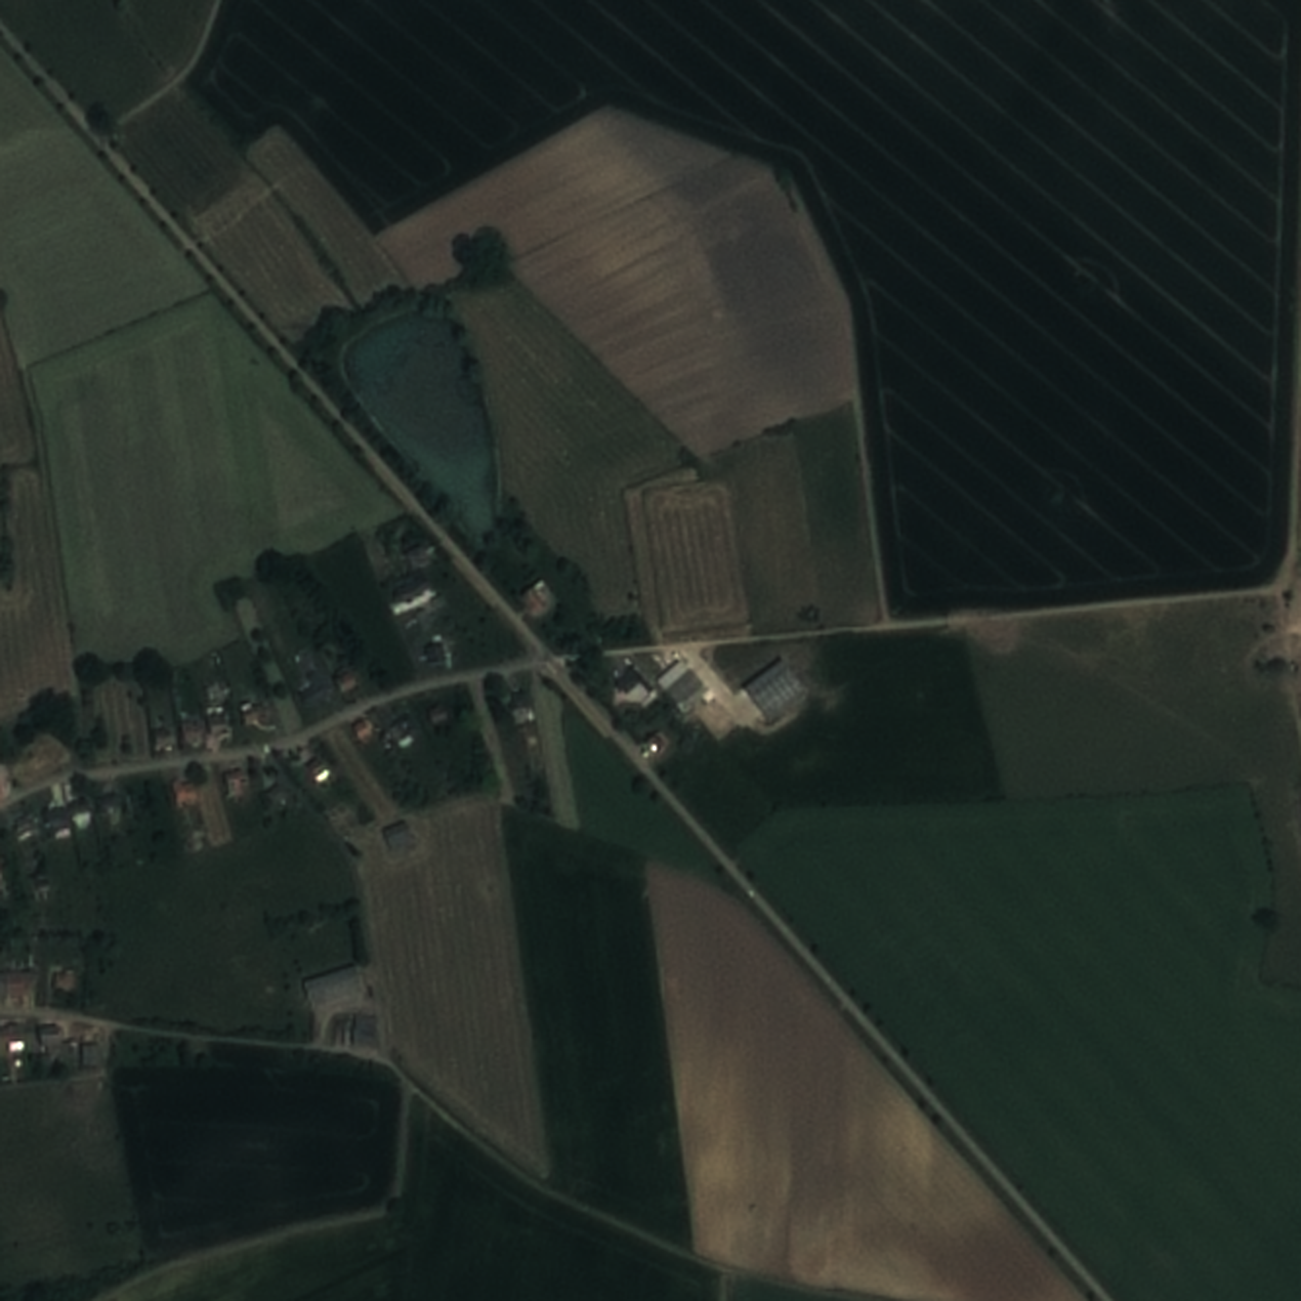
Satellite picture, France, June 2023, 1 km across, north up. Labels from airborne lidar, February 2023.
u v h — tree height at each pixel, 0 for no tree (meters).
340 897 0
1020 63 0
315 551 0
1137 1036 0
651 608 0
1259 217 0
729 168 0
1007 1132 0
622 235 0
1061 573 0
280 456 0
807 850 0
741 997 0
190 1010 0
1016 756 0
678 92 0
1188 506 0
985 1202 0
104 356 0
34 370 0
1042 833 0
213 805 0
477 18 0
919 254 0
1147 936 0
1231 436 0
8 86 0
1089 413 0
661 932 0
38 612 0
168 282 0
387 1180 0
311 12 0
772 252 0
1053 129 0
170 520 0
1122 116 0
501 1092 0
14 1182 0
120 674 12
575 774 0
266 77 0
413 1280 0
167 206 0
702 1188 0
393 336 0
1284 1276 0
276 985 0
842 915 0
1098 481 0
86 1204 0
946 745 0
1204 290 0
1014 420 0
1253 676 0
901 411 0
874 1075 0
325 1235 0
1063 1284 0
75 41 0
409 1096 0
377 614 0
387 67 0
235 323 0
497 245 6
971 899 0
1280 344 0
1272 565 0
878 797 0
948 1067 0
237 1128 0
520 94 0
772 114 0
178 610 0
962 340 0
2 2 0
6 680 0
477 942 0
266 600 0
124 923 0
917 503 0
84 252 0
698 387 0
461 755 0
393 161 0
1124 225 0
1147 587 0
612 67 0
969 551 0
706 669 0
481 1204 0
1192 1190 0
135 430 0
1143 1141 0
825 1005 0
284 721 0
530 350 0
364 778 0
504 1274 0
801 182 0
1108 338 0
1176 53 0
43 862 12
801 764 0
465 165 0
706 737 0
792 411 0
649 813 0
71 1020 0
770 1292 0
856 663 0
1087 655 0
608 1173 0
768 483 0
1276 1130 0
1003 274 0
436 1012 0
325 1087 0
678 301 0
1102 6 0
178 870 0
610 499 0
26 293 0
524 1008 0
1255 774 0
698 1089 0
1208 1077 0
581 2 0
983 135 0
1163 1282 0
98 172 0
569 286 0
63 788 0
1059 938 0
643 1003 0
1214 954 0
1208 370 0
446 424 0
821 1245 0
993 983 0
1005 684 0
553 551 0
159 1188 0
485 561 14
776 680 0
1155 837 0
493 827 0
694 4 0
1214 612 0
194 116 0
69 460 0
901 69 0
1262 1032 0
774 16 0
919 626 0
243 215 0
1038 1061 0
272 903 0
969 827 0
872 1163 0
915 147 0
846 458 0
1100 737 0
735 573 0
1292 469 0
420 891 0
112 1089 0
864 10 0
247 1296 0
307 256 0
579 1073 0
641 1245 0
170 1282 0
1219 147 0
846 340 0
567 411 0
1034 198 0
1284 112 0
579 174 0
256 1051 0
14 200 0
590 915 0
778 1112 0
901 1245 0
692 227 0
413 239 0
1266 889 0
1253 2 0
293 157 0
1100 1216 0
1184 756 0
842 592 0
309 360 13
